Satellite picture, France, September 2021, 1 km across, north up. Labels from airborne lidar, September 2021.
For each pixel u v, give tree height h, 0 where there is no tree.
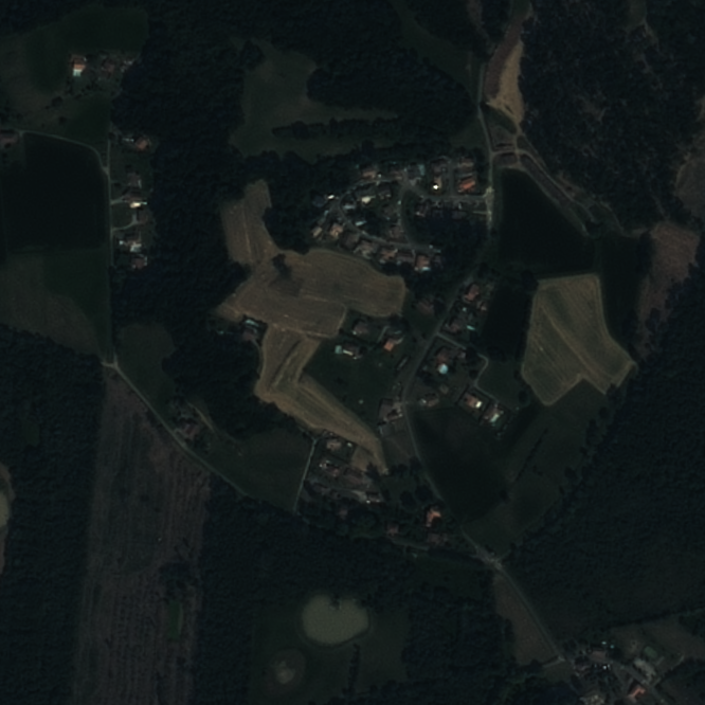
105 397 18
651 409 23
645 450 22
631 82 20
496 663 15
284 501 0
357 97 20
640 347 0
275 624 0
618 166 20
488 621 12
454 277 24
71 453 10
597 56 27
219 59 15
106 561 0
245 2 23
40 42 0
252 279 0
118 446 0
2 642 10
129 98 14
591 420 0
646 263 19
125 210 0
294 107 0
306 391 0
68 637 15
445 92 25
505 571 0
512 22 0
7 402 10
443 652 13
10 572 9
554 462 0
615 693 7
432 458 0
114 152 0
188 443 7
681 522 14
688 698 0
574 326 0
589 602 9
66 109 0
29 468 19
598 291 0
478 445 0
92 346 0
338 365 0
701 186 0
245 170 21
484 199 0
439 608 15
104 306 0
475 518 0
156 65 25
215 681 14
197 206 27
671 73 29
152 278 19
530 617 0
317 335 0
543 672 17
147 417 5
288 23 25
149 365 0
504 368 0
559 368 0
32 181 0
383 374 0
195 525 0
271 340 0
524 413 0
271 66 0
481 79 0
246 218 0
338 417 0
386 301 0
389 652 0
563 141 25
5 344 11
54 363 15
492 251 0
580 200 0
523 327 8
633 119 19
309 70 0
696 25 30
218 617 12
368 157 20
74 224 0
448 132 15
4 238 0
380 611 8
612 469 11
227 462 0
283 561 19
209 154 26
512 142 0
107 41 0
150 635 0
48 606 15
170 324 22
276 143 0
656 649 0
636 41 18
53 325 0
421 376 8
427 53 0
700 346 17
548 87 23
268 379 0
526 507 0
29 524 15
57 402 9
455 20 19
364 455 0
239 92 10
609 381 0
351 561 15
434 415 0
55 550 13
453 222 27
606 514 8
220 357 27
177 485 0
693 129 25
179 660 0
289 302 0
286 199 20
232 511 22
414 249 0
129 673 0
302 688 0
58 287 0
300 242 21
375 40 23
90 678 0
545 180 6
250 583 19
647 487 9
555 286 0
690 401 20
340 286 0
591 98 20
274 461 0
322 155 0
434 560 0
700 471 21
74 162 0
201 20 17
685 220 19
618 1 24
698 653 0
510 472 0
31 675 18
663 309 0
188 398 6
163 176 15
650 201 25
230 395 20
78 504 11
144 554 0
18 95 0
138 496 0
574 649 15
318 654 0
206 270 24
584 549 9
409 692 11
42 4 16
